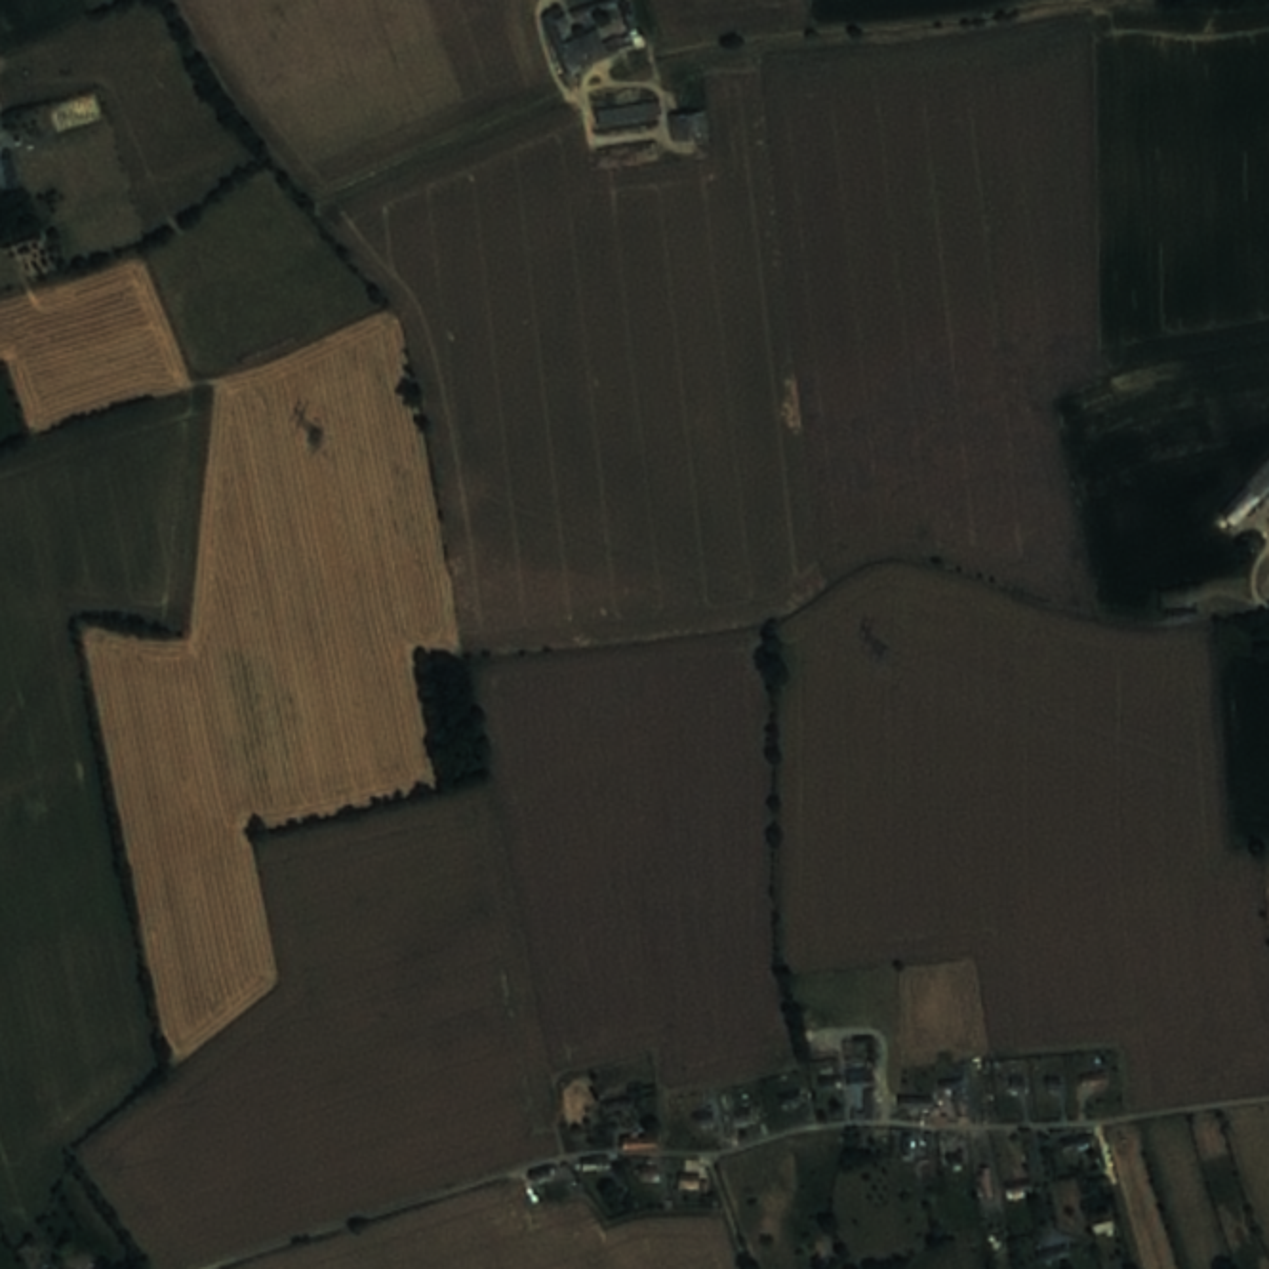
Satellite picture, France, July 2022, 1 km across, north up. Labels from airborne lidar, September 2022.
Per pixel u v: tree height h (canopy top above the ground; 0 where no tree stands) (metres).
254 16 0
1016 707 0
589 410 0
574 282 0
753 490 0
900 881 0
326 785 0
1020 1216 0
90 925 0
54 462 0
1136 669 0
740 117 0
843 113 0
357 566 0
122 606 0
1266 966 0
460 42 0
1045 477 0
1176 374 0
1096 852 0
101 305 0
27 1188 0
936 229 0
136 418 0
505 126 0
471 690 12
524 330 0
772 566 0
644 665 0
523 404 0
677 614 0
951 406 0
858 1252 0
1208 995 0
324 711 0
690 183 0
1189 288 0
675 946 0
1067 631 0
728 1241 0
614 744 0
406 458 0
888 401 0
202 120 0
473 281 0
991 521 0
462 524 0
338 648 0
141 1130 0
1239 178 0
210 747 0
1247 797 0
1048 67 0
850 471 0
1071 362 0
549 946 0
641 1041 0
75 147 0
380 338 0
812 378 0
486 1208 0
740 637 0
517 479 0
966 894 0
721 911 0
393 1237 0
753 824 0
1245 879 0
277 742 0
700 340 0
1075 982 0
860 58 0
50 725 0
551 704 0
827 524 0
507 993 0
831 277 0
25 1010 0
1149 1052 0
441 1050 0
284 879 0
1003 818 0
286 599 0
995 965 0
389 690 0
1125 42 0
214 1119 0
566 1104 0
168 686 0
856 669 0
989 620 0
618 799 0
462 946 0
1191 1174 0
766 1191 0
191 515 0
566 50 0
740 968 0
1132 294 0
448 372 0
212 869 0
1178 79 0
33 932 0
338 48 0
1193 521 0
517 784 0
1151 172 0
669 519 0
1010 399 0
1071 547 0
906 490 0
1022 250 0
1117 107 0
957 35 0
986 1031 0
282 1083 0
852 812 0
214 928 0
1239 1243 0
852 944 0
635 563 0
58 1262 9
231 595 0
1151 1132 0
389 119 0
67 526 0
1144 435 0
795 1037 13
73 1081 0
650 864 0
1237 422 0
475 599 0
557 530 0
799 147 0
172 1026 0
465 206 0
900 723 0
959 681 0
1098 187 0
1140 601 0
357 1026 0
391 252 0
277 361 0
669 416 0
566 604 0
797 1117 0
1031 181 0
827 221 0
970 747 0
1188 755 0
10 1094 0
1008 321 0
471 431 0
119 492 0
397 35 0
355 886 0
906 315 0
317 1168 0
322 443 0
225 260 0
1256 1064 0
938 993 0
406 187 0
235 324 0
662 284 0
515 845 0
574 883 0
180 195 0
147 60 0
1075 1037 0
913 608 0
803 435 0
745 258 0
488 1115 0
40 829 0
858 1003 0
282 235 0
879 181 0
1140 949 0
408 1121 0
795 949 0
